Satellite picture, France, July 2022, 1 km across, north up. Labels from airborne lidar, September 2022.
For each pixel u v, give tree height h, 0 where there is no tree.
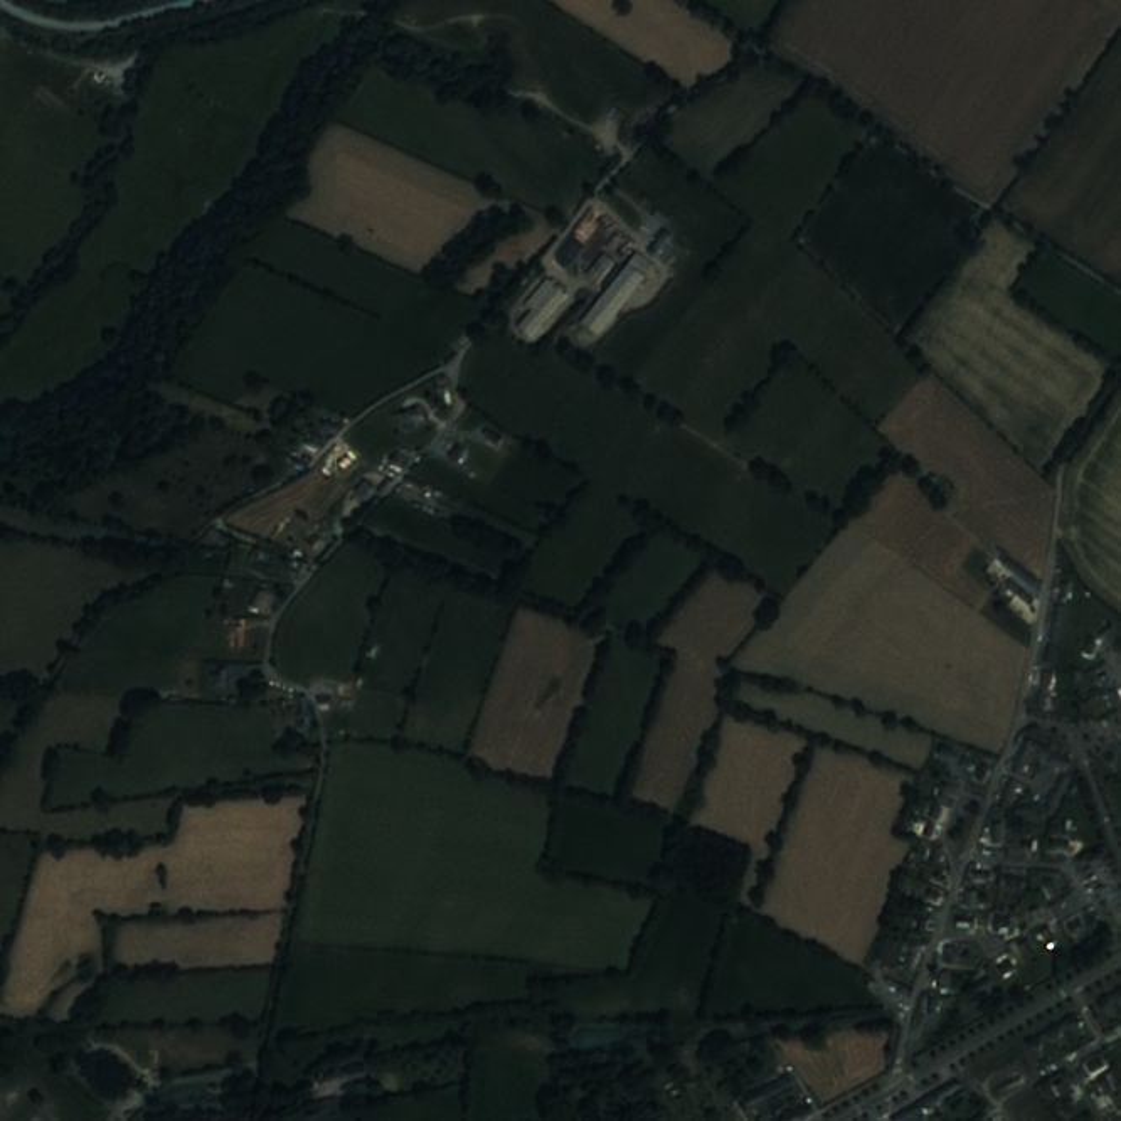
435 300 0
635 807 14
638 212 0
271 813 0
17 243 0
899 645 0
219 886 0
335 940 0
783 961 0
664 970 0
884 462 15
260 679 12
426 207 0
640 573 0
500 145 0
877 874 0
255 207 23
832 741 7
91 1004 17
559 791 18
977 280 0
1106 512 0
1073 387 0
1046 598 0
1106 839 10
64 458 14
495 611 0
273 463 0
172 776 0
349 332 0
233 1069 20
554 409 0
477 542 18
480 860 0
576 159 0
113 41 9
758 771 0
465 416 0
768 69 9
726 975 0
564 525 11
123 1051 0
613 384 15
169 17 11
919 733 9
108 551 18
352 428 0
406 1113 0
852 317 0
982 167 0
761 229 0
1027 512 0
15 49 0
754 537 0
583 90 0
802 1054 0
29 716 20
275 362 0
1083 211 0
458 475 0
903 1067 0
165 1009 0
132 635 0
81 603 0
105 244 0
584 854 0
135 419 17
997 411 0
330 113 25
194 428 19
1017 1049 0
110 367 16
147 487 0
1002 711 0
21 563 0
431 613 0
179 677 0
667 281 0
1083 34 0
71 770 0
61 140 0
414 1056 8
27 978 0
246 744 0
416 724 0
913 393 0
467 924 0
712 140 0
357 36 21
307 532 0
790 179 0
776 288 0
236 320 0
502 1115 0
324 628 0
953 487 0
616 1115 13
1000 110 0
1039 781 0
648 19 0
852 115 14
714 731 7
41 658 0
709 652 0
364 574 0
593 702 11
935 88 0
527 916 0
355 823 0
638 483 0
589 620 16
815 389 0
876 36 0
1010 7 0
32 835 6
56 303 0
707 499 0
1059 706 0
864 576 0
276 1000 12
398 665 0
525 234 0
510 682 0
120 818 0
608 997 0
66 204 0
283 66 0
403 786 0
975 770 0
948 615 0
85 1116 0
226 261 25
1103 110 0
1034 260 10
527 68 0
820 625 0
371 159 0
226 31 14
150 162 0
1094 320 0
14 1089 0
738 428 11
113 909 0
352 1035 9
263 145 13
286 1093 16
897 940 8
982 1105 13
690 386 0
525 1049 0
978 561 0
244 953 0
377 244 0
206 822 0
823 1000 0
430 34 0
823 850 0
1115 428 0
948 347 0
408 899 0
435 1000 0
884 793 0
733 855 18
